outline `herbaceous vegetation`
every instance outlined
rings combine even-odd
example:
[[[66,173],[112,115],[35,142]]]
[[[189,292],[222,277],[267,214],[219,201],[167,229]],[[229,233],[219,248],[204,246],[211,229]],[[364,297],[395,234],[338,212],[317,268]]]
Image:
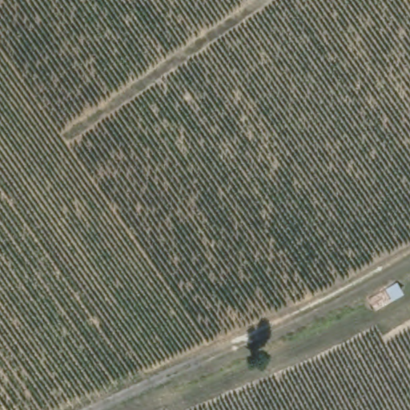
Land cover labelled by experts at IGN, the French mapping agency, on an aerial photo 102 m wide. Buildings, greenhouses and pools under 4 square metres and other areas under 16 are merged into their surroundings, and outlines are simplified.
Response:
[[[392,301],[383,309],[368,306],[357,316],[348,317],[340,324],[317,332],[306,340],[288,344],[288,341],[282,341],[283,332],[299,332],[346,307],[367,306],[367,298],[373,298],[381,287],[391,285],[399,285],[402,290],[399,299]],[[380,255],[373,256],[370,263],[359,269],[349,269],[348,275],[336,279],[330,287],[320,288],[312,293],[309,291],[303,298],[291,301],[279,309],[263,311],[264,320],[256,327],[251,327],[248,335],[239,327],[231,328],[227,333],[218,333],[211,340],[195,344],[186,351],[176,352],[173,356],[159,360],[149,367],[131,370],[125,378],[112,378],[107,386],[102,386],[99,391],[86,392],[74,399],[59,402],[61,410],[99,410],[99,405],[107,396],[141,383],[162,370],[167,375],[165,383],[157,384],[154,388],[122,400],[114,410],[210,410],[223,397],[243,389],[255,388],[259,381],[269,378],[280,380],[283,373],[316,362],[343,348],[344,344],[354,343],[378,325],[384,325],[391,330],[410,319],[410,240],[400,243],[394,250],[383,251]],[[251,352],[256,352],[259,356],[263,351],[269,354],[267,367],[264,370],[248,367],[247,359]]]

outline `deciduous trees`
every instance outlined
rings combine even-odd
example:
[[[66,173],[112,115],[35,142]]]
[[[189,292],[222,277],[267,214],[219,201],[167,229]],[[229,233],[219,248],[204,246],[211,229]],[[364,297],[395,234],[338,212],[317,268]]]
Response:
[[[247,359],[248,367],[264,370],[267,367],[269,354],[263,351],[259,356],[256,352],[251,352]]]

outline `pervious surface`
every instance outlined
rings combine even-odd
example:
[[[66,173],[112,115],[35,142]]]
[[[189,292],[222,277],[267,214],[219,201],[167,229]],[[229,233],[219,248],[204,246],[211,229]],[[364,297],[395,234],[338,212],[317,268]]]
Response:
[[[162,370],[141,383],[107,396],[99,405],[99,410],[114,410],[122,400],[154,388],[157,384],[165,383],[167,375]]]

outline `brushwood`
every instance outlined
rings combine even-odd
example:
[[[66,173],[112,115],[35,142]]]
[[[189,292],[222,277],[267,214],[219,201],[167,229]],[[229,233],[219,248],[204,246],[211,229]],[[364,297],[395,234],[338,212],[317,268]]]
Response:
[[[283,332],[282,341],[288,341],[288,344],[306,340],[317,332],[340,324],[348,317],[357,316],[368,306],[367,306],[346,307],[299,332]]]

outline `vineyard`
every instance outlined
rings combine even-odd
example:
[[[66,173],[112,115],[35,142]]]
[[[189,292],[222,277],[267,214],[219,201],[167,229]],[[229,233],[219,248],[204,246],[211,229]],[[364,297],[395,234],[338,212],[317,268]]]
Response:
[[[410,319],[391,330],[384,325],[378,325],[354,343],[344,344],[343,348],[316,362],[283,373],[280,380],[269,378],[259,381],[255,388],[243,389],[223,397],[210,410],[410,410]]]
[[[125,378],[131,370],[149,367],[159,360],[173,356],[176,352],[186,351],[195,344],[211,340],[218,333],[227,333],[231,328],[239,327],[248,335],[251,327],[256,327],[264,320],[263,311],[279,309],[291,301],[303,298],[309,291],[312,293],[320,288],[330,287],[336,279],[348,275],[349,269],[359,269],[370,263],[373,256],[380,255],[383,251],[394,250],[400,243],[410,240],[410,0],[0,0],[0,410],[61,410],[59,402],[74,399],[86,392],[99,391],[102,386],[107,386],[112,378]]]

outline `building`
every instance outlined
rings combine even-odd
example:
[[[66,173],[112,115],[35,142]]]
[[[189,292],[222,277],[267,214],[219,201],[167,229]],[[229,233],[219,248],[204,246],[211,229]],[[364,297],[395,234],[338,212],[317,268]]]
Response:
[[[381,287],[373,298],[367,298],[367,306],[368,306],[383,309],[392,301],[399,299],[402,290],[399,285],[391,285]]]

